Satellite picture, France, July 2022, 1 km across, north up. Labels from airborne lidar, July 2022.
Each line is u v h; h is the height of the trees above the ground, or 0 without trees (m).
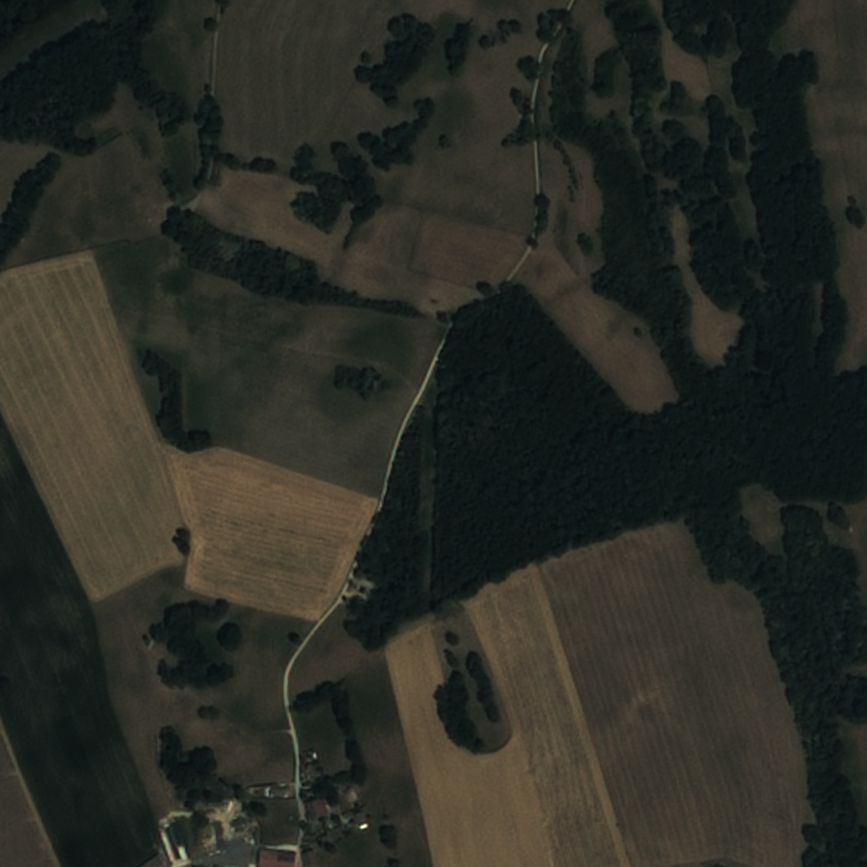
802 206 21
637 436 22
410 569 19
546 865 0
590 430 22
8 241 21
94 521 0
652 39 12
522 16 0
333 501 0
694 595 0
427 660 0
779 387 13
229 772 0
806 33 0
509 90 0
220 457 0
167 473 0
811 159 19
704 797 0
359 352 0
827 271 21
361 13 0
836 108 0
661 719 0
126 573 0
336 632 0
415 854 0
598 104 0
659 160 22
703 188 22
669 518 16
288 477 0
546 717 0
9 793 0
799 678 12
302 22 0
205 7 0
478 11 0
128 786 0
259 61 0
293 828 0
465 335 15
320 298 7
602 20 0
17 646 0
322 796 14
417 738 0
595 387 11
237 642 13
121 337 0
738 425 18
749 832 0
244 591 0
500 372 19
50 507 0
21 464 0
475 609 0
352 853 0
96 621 0
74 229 0
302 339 0
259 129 0
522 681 0
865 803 0
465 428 20
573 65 8
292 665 0
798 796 0
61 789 0
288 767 0
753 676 0
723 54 15
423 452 12
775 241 22
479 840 0
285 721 0
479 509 9
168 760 16
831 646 13
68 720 0
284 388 0
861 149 0
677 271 19
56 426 0
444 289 0
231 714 0
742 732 0
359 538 0
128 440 0
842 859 20
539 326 15
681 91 15
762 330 16
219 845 0
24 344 0
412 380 0
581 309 0
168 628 15
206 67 0
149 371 11
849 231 0
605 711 0
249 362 0
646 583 0
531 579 0
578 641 0
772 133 20
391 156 18
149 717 0
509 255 0
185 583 0
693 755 0
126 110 0
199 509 0
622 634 0
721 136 16
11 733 0
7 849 0
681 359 6
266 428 0
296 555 0
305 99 0
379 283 0
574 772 0
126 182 0
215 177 0
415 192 0
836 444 29
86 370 0
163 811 0
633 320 0
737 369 23
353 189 17
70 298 0
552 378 12
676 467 20
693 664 0
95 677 0
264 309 0
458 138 0
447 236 0
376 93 12
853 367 0
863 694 21
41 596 0
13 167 0
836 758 22
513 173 0
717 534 19
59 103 16
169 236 16
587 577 0
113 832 0
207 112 15
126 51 6
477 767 0
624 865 0
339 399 0
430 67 0
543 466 10
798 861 0
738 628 0
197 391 0
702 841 0
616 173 6
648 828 0
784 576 17
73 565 0
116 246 0
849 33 0
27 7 27
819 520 23
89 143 9
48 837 0
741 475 20
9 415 0
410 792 0
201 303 0
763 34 18
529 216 0
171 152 0
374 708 0
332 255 0
